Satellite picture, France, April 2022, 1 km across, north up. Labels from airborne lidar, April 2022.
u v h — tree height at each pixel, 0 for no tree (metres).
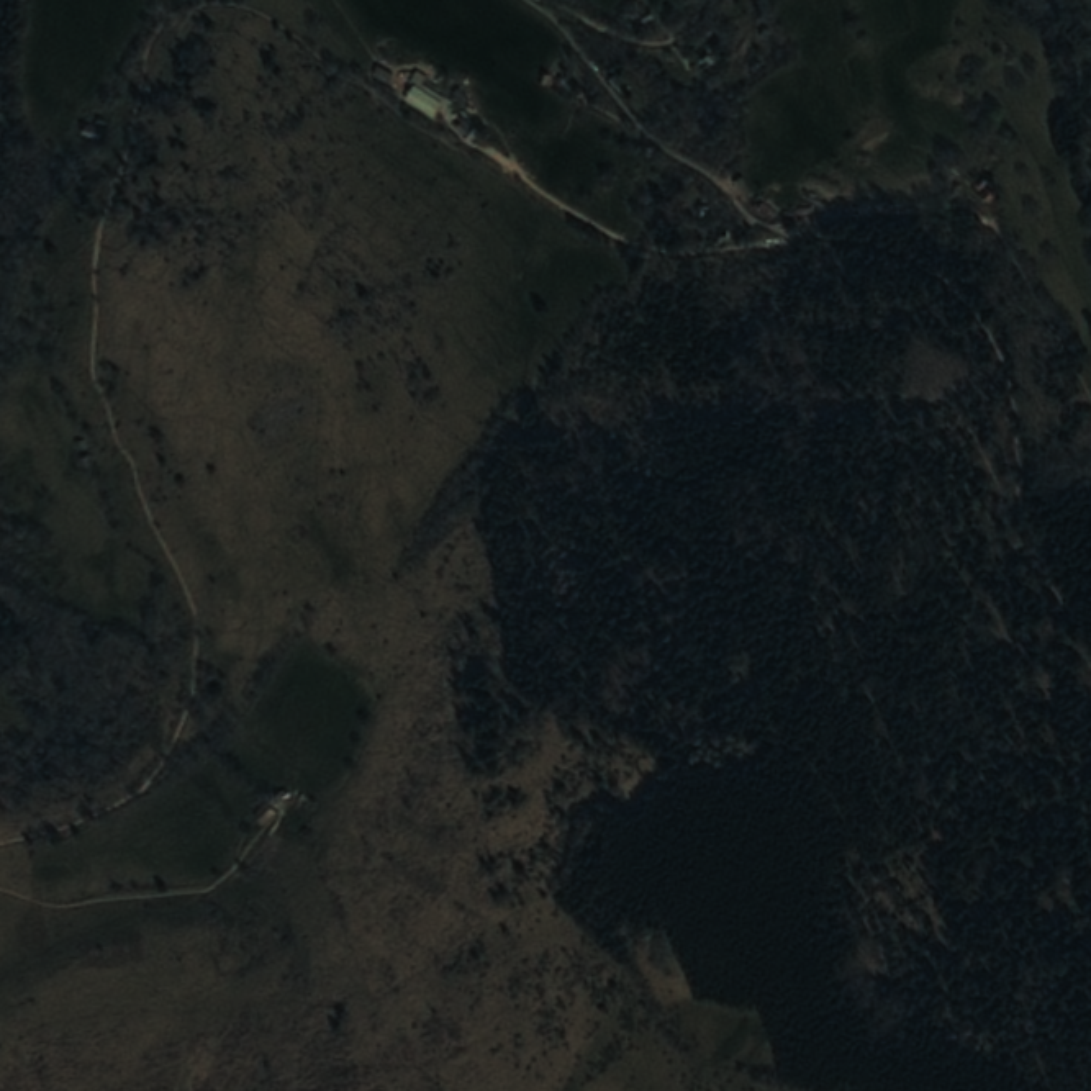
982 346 19
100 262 0
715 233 9
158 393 0
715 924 26
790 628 24
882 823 22
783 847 28
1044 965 27
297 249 0
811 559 23
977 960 22
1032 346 17
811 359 9
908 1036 19
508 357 0
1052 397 14
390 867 0
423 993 0
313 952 0
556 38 0
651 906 24
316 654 0
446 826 0
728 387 9
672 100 11
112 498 11
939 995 26
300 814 0
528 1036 0
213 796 0
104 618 0
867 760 20
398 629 0
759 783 26
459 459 0
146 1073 0
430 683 0
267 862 0
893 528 30
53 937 0
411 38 0
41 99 0
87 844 0
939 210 16
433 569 0
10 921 0
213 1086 0
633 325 9
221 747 19
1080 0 19
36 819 0
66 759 18
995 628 22
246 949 7
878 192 0
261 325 0
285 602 0
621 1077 0
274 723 0
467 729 14
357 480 0
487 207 6
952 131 0
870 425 26
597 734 6
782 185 0
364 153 0
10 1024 0
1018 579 7
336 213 0
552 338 0
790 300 18
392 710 0
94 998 0
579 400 19
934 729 24
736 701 27
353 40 0
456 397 0
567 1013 0
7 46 21
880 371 11
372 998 0
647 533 27
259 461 0
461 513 13
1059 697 7
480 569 0
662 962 14
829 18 0
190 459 0
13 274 16
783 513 24
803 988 26
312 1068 0
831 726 22
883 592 25
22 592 25
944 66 0
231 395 0
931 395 12
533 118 0
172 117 9
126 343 0
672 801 27
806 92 0
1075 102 27
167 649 7
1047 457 11
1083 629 31
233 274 0
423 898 0
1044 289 20
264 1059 0
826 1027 25
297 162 6
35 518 0
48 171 10
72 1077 0
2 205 9
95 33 0
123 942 0
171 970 0
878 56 0
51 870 0
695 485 22
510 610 17
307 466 0
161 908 0
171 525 0
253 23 0
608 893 13
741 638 28
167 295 0
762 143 0
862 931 21
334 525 0
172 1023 0
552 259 0
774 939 27
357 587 0
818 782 19
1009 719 29
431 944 0
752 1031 0
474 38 0
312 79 0
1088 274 0
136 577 0
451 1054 0
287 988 0
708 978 22
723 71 8
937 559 27
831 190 0
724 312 9
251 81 0
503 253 0
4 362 16
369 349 0
